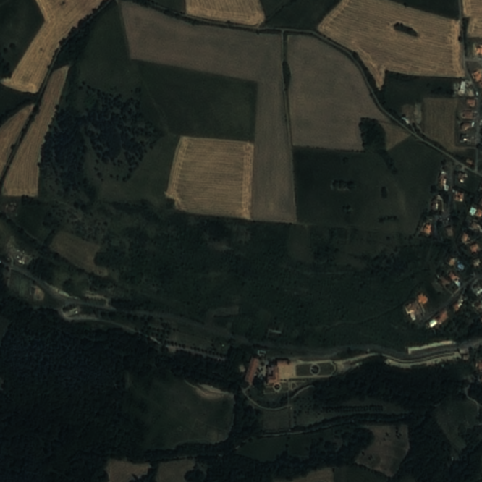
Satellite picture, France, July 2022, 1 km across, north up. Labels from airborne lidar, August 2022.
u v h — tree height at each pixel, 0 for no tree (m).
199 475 18
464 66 0
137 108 10
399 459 0
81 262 0
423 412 17
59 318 9
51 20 0
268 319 0
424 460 15
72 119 9
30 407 20
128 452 17
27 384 20
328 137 0
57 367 24
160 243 8
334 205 0
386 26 0
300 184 0
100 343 22
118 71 0
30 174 0
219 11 0
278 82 0
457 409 0
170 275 11
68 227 0
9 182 0
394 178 0
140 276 8
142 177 0
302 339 7
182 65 0
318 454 12
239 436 18
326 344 6
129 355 28
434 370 14
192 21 7
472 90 0
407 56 0
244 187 0
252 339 11
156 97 0
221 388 15
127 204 8
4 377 15
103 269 0
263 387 23
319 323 7
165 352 9
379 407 9
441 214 10
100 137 10
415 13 0
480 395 19
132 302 7
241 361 7
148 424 0
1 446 30
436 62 0
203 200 0
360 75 0
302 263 6
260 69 0
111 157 10
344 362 0
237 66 0
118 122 6
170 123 0
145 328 8
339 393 18
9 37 0
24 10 0
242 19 0
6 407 18
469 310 8
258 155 0
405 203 0
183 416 0
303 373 0
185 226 6
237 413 17
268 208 0
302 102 0
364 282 8
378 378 20
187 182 0
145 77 0
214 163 0
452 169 0
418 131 6
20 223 0
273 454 0
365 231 0
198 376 19
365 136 9
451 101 0
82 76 0
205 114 0
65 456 15
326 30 0
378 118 0
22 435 18
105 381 22
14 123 0
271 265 9
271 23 0
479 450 10
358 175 0
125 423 18
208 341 0
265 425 0
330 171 0
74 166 11
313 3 0
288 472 16
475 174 0
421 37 0
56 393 18
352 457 14
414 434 16
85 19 9
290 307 5
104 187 0
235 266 6
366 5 0
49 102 0
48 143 11
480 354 7
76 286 0
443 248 7
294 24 0
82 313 0
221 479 13
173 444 0
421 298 0
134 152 9
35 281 8
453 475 17
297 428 6
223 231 10
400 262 6
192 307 0
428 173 0
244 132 0
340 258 0
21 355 19
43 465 24
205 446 6
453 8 0
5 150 0
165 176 0
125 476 0
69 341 29
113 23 0
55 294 0
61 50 10
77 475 25
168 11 9
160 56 0
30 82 0
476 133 0
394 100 0
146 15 0
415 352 0
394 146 0
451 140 0
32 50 0
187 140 0
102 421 17
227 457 15
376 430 0
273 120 0
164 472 0
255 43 0
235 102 0
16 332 17
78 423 16
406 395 16
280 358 0
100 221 0
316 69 0
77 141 8
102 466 22
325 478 0
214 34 0
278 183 0
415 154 0
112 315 18
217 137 0
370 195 0
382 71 0
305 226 0
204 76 0
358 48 0
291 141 0
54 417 19
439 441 8
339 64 0
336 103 0
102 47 0
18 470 9
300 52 0
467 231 6
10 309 16
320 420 0
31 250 0
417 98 0
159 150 0
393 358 0
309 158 0
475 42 0
